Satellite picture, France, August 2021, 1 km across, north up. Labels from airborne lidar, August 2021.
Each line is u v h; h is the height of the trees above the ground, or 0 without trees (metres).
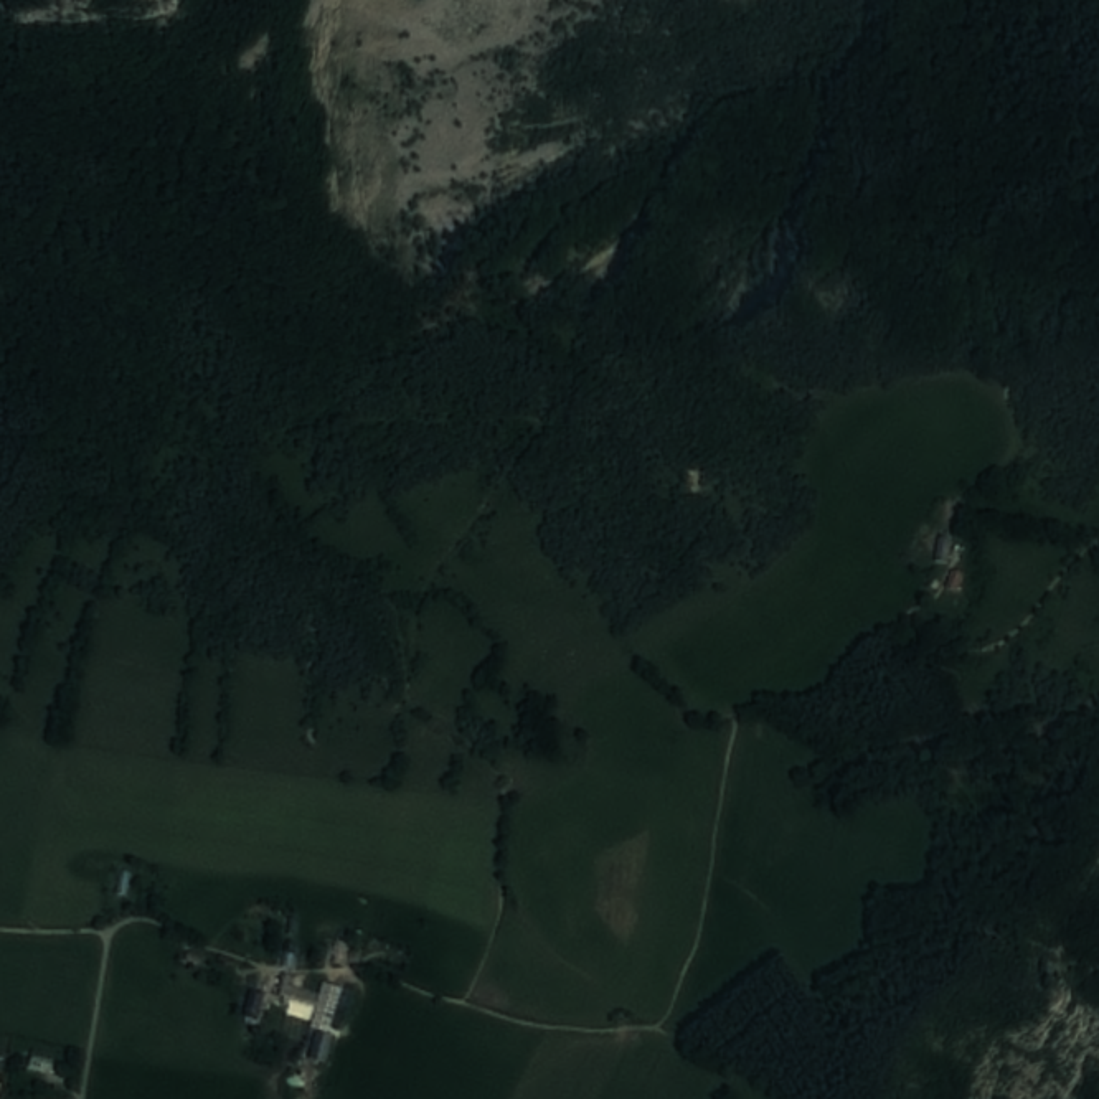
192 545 11
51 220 19
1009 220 32
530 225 20
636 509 14
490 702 0
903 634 10
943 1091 14
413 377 21
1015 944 14
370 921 0
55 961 0
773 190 33
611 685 0
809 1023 25
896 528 0
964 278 23
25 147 25
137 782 0
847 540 0
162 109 16
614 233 13
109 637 0
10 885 0
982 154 24
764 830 0
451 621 0
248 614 15
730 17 11
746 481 10
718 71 8
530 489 13
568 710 0
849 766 10
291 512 9
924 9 14
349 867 0
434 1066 0
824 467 0
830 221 23
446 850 0
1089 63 27
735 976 0
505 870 9
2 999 0
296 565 12
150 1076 0
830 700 23
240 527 13
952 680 17
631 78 6
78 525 10
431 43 0
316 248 13
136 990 0
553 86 7
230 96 14
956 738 31
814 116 27
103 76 20
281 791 0
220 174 7
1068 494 9
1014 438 0
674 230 20
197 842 0
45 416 19
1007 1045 10
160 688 0
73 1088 9
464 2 0
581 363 13
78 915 0
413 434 15
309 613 10
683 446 7
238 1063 0
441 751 0
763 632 0
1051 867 25
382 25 0
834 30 15
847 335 16
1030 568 0
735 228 6
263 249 15
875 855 0
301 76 18
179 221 18
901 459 0
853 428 0
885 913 15
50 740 13
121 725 0
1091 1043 6
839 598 0
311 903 0
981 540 6
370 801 0
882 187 25
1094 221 33
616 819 0
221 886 0
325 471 23
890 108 21
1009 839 33
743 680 0
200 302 23
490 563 0
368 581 12
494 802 0
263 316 13
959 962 18
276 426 22
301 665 10
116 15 14
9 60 21
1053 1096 9
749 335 12
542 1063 0
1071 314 13
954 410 0
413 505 0
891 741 29
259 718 0
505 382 29
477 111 0
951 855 24
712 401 17
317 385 17
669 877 0
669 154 17
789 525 14
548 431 12
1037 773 25
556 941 0
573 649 0
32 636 15
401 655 10
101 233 21
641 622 12
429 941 0
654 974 0
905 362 11
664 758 0
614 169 12
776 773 0
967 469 0
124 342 24
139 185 16
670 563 14
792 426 14
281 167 11
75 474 22
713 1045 23
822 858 0
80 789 0
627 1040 0
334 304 11
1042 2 27
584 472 12
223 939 0
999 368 10
